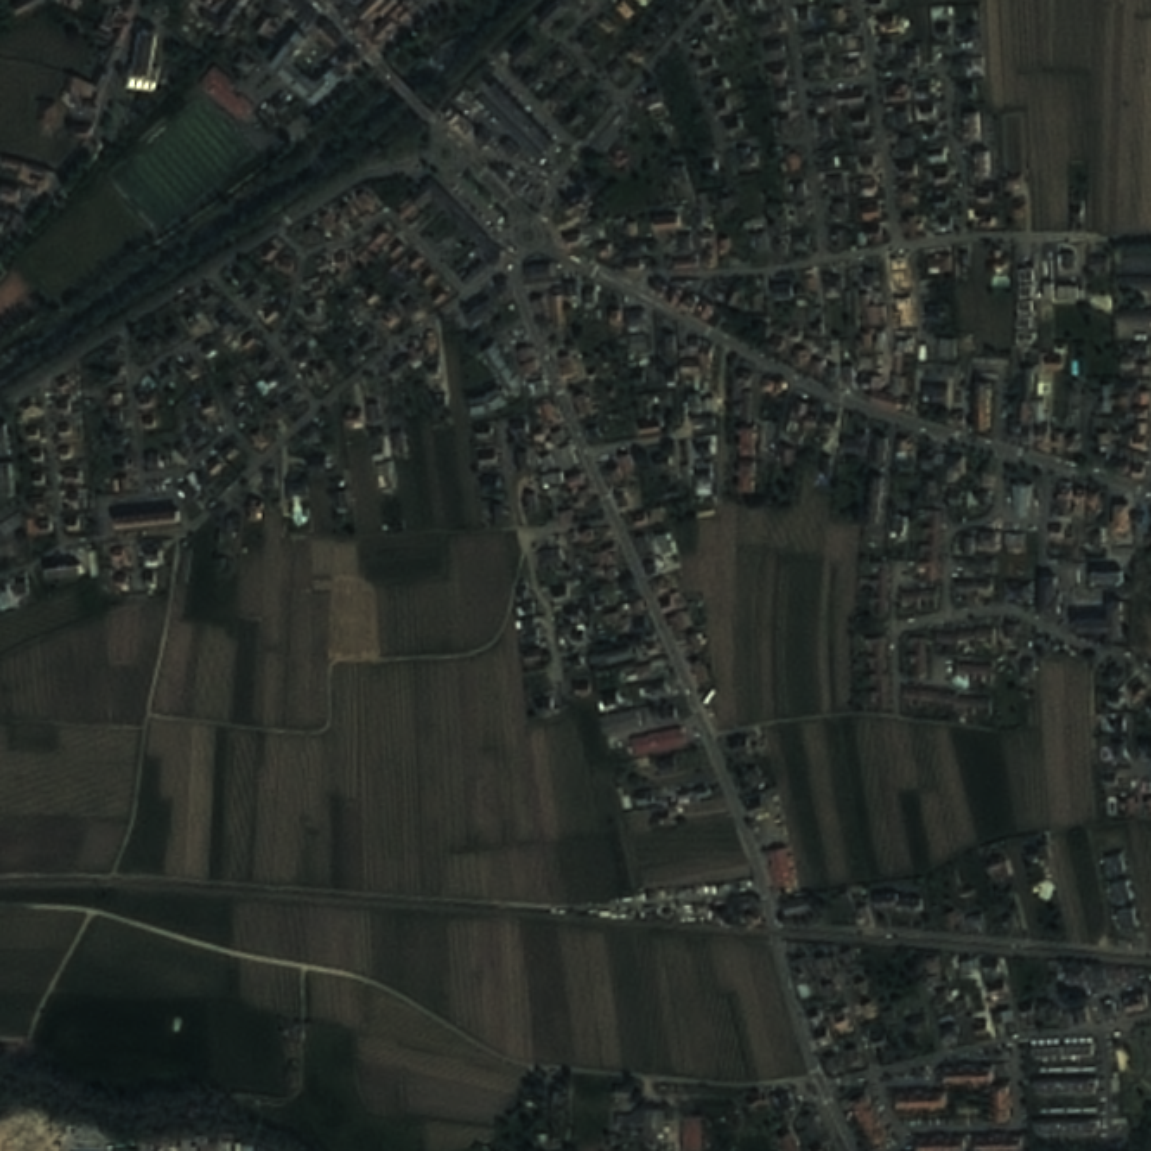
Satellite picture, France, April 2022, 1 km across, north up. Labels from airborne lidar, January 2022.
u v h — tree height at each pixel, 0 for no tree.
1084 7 0
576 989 0
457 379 0
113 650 0
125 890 0
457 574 0
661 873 0
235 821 0
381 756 0
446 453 0
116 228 0
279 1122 0
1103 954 0
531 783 0
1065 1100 0
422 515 0
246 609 0
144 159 0
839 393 0
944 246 0
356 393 0
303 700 0
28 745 0
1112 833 0
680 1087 0
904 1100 0
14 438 14
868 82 0
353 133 17
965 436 0
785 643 0
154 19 0
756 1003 0
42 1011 0
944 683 0
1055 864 0
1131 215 0
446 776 0
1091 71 0
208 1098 14
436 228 0
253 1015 0
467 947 0
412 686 0
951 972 0
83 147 0
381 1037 0
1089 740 0
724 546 0
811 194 0
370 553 0
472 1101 0
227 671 0
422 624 0
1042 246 0
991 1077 0
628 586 8
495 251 0
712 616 0
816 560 0
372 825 0
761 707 0
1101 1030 0
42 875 0
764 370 0
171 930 0
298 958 0
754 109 7
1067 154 0
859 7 0
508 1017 0
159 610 0
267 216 13
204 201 0
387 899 0
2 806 0
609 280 0
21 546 0
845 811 0
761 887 0
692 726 0
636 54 0
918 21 0
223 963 0
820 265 0
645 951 0
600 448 0
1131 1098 0
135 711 0
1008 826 0
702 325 0
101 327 19
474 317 0
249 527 0
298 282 0
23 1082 18
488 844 0
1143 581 0
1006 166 0
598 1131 0
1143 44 0
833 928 0
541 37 0
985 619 0
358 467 0
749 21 0
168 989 0
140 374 0
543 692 0
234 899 0
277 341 0
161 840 0
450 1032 0
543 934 0
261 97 0
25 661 0
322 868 0
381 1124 0
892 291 0
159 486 7
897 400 0
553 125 0
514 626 0
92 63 0
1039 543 0
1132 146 0
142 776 0
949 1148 0
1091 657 7
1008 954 0
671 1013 0
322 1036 0
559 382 0
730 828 0
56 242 0
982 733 0
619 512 0
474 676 0
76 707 0
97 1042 0
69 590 0
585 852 0
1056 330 0
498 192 17
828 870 0
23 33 0
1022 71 0
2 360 0
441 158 0
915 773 0
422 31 12
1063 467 0
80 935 0
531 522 0
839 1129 0
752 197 0
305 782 0
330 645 0
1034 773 0
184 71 12
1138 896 0
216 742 0
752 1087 0
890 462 0
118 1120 12
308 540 0
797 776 0
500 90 0
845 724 0
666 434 6
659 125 0
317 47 0
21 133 0
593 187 9
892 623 0
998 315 0
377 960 0
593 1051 0
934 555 0
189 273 20
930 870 0
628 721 0
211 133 0
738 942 0
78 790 0
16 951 0
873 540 0
